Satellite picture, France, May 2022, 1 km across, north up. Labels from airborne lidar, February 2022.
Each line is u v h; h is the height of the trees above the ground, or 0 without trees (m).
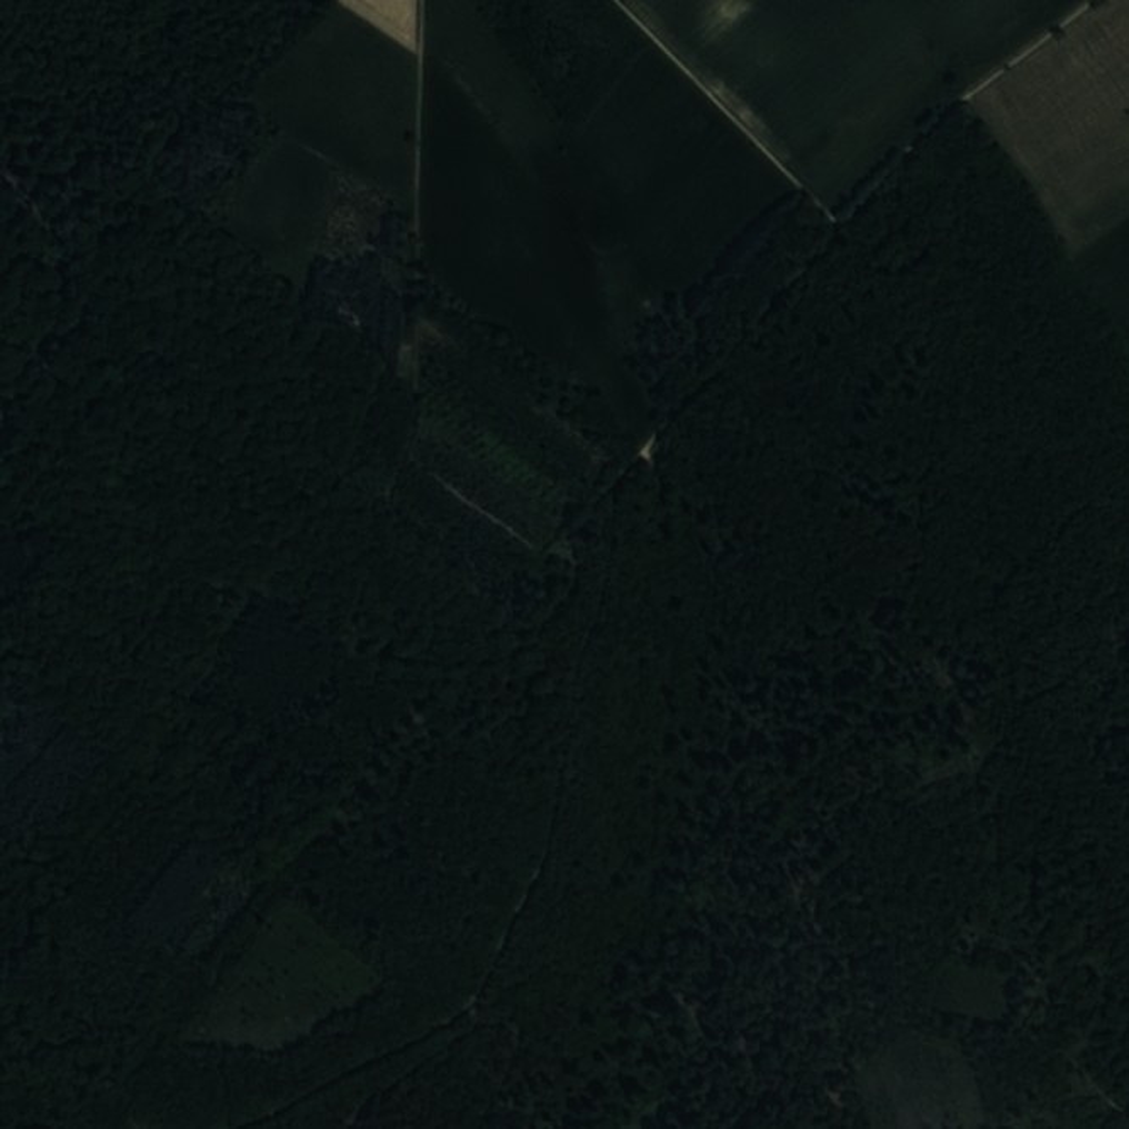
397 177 0
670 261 0
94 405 29
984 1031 18
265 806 25
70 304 31
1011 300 15
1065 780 21
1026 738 17
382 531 28
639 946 18
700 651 17
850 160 0
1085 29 0
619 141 0
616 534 15
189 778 25
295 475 24
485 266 0
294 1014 0
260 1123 10
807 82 0
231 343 30
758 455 15
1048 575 25
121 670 28
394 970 14
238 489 32
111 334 26
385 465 16
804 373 15
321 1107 9
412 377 0
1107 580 22
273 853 22
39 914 25
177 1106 15
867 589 15
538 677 22
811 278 10
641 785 31
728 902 9
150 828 15
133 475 24
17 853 7
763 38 0
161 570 28
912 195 16
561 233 0
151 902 20
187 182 27
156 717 29
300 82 0
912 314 12
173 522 33
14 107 27
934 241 23
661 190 0
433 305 15
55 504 26
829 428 13
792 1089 24
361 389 28
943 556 15
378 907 15
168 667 29
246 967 0
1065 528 19
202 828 26
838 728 33
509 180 0
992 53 0
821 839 11
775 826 30
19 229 35
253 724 17
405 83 0
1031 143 0
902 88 0
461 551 12
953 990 0
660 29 0
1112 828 23
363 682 9
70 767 19
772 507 12
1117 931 17
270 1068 15
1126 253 0
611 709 19
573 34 0
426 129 0
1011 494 18
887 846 12
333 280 16
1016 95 0
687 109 0
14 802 22
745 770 38
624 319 0
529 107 0
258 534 31
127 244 29
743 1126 31
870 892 10
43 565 23
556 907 11
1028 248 16
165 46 22
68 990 18
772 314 12
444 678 29
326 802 24
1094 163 0
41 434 26
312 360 31
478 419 12
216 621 31
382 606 28
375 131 0
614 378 0
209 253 24
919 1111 0
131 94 22
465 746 12
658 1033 32
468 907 13
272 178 0
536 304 0
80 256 32
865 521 12
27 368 29
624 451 12
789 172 0
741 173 0
